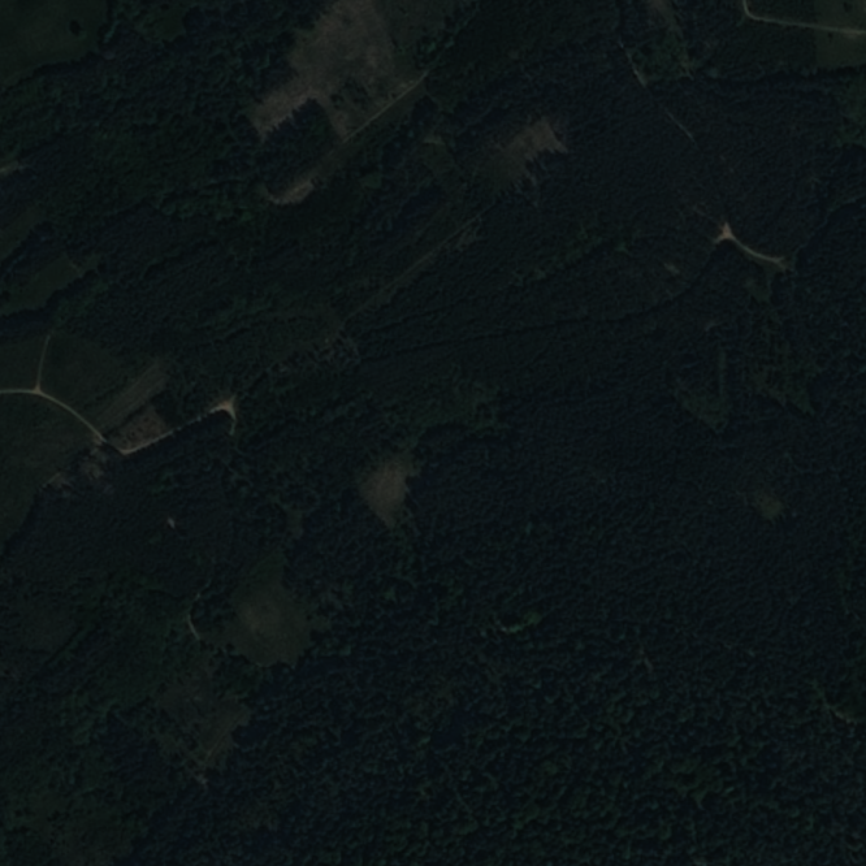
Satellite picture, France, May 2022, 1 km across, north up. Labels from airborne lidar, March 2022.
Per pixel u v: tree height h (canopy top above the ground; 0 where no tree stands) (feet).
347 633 84
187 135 53
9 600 37
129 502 73
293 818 51
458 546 93
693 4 97
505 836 103
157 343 62
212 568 46
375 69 0
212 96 80
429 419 63
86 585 46
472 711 48
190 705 0
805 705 98
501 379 55
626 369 69
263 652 0
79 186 29
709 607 94
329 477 74
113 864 0
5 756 65
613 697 85
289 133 68
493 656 88
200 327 64
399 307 27
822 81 58
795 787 108
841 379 78
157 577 62
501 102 84
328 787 104
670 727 113
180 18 0
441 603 107
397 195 93
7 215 78
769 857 66
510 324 45
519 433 87
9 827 39
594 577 92
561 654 107
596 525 110
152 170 31
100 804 60
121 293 76
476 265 36
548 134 0
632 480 91
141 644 51
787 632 97
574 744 121
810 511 105
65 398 0
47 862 26
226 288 52
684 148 80
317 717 100
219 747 0
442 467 101
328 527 66
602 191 70
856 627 69
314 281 57
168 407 37
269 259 59
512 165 0
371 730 109
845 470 88
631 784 114
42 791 51
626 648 91
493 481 103
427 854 98
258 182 63
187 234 64
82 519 65
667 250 71
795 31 20
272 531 93
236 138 33
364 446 59
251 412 34
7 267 48
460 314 49
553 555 92
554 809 97
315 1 90
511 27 37
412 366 69
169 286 63
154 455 66
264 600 0
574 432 98
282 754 38
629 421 91
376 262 43
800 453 98
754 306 79
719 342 65
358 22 0
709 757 113
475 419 51
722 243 0
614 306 55
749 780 122
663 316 80
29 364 0
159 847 76
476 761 115
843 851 39
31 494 0
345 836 105
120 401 0
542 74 104
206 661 0
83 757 49
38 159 55
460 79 37
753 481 86
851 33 0
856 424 62
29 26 0
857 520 72
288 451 57
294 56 0
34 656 37
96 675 41
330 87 0
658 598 107
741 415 74
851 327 90
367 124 0
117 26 89
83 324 67
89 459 60
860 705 52
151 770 98
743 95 87
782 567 89
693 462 80
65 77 76
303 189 0
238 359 21
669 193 80
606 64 109
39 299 0
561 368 57
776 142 76
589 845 76
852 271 77
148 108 54
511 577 102
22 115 31
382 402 63
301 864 95
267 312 35
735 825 39
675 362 71
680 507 92
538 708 100
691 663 104
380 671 100
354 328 28
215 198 48
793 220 111
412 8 0
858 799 27
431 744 31
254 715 63
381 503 0
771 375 25
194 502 98
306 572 77
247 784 86
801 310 63
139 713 60
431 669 99
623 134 75
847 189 69
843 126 56
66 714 39
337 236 26
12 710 62
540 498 97
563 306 68
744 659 76
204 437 72
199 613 50
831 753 90
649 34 118
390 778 100
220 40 77
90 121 78
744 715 108
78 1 0
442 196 77
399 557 46
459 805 107
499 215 38
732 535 107
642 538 81
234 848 109
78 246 70
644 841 23
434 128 100
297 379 29
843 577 62
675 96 81
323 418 90
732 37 86
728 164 74
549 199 73
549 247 64
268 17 91
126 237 83
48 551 69
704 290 76
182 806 82
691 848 51
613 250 73
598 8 70
